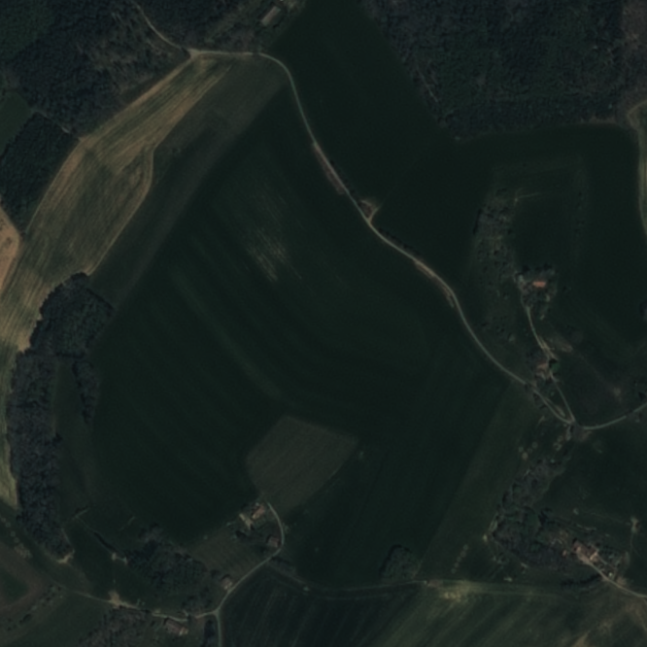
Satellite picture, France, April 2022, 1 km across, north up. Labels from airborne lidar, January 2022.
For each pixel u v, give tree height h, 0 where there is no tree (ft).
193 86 0
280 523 0
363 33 0
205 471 0
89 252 0
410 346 0
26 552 0
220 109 0
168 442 0
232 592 0
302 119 0
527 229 0
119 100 83
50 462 94
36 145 48
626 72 30
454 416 0
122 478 0
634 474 0
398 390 0
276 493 0
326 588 0
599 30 46
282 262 0
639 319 0
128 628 50
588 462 0
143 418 0
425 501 0
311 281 0
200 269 0
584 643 0
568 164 0
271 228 0
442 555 0
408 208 0
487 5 104
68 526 0
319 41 0
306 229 0
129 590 0
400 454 0
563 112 46
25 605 0
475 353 0
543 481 89
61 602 0
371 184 0
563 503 0
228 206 0
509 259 39
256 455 0
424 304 0
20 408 54
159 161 0
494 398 0
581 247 0
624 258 0
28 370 80
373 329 0
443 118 49
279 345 0
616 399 0
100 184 0
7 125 0
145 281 0
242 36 99
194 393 0
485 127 41
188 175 0
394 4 97
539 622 0
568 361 0
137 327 0
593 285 0
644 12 29
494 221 69
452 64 55
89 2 73
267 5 30
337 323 0
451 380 0
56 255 0
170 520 0
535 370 46
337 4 0
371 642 0
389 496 0
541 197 0
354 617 0
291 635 0
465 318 0
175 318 0
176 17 71
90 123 73
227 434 0
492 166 0
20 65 69
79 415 0
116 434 0
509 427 0
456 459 0
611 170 0
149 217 0
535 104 55
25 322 0
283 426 0
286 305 0
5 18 62
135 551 0
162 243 0
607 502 0
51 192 0
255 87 0
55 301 71
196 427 0
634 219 0
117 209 0
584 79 46
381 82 0
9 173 41
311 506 0
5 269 0
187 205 0
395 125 0
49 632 0
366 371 0
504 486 0
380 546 0
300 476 0
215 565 0
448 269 0
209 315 0
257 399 0
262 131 0
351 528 0
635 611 0
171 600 0
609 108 45
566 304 0
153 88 0
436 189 0
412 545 0
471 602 0
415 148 0
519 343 0
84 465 0
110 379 0
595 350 0
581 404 0
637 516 0
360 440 0
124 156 0
